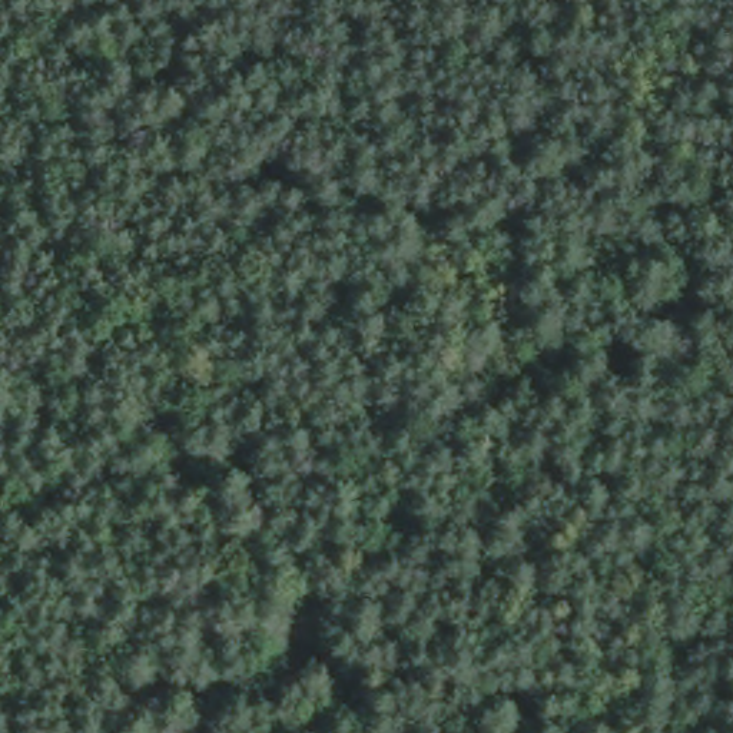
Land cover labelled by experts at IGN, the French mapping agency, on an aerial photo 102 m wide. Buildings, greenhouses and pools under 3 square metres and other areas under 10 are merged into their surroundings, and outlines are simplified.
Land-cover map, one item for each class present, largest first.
<instances>
[{"label":"coniferous trees","instance_id":"1","mask_svg":"<svg viewBox=\"0 0 733 733\"><path fill-rule=\"evenodd\" d=\"M117 298L143 301L149 315H143L135 324H123L106 341H97L94 324ZM232 533L246 535L243 547L249 553L252 570L246 590L226 593L212 581V567L206 561L232 541ZM0 733H733V0H0Z\"/></svg>","mask_w":733,"mask_h":733},{"label":"deciduous trees","instance_id":"2","mask_svg":"<svg viewBox=\"0 0 733 733\"><path fill-rule=\"evenodd\" d=\"M143 315H149L143 301L117 298L94 324L97 341H106L123 324H135ZM246 535L232 533V541L206 561L212 567V581L226 593L246 590L252 570L249 553L243 547Z\"/></svg>","mask_w":733,"mask_h":733}]
</instances>
